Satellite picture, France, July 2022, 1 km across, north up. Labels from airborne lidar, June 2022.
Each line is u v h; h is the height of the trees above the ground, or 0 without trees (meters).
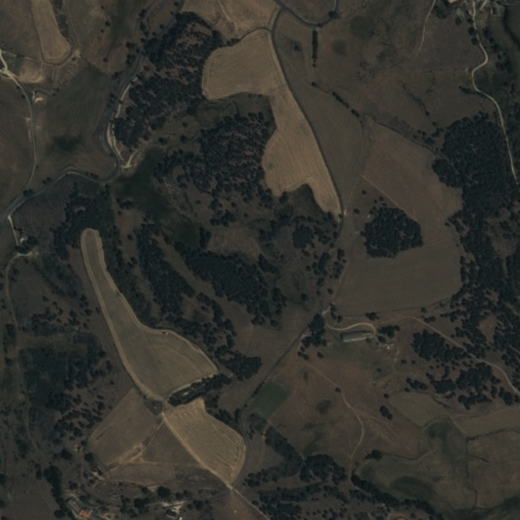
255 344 0
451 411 0
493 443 0
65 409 11
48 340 0
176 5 11
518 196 16
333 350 0
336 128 0
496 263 17
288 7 0
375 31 0
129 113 15
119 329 0
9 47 0
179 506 0
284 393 0
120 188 0
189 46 0
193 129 0
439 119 0
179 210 0
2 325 0
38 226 0
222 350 14
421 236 14
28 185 0
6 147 0
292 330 0
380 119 0
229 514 0
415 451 0
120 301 0
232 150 18
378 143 0
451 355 14
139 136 6
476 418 0
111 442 0
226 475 0
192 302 0
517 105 12
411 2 0
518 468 0
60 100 0
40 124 0
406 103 0
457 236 0
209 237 19
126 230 0
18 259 0
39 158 0
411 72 0
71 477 0
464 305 15
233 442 0
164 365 0
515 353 17
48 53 0
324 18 0
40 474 11
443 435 0
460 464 0
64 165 0
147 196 0
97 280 0
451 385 18
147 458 0
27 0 0
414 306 0
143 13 8
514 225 0
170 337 0
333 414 0
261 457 0
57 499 14
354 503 0
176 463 0
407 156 0
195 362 0
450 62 0
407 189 0
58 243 13
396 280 0
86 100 0
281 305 13
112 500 0
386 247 11
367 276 0
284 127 0
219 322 16
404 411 0
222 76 0
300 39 0
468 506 0
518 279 16
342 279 0
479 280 17
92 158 0
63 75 0
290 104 0
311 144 0
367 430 0
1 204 0
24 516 0
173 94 16
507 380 0
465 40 0
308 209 0
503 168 19
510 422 0
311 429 0
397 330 9
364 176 0
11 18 0
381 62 0
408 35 0
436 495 0
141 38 0
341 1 0
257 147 18
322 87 0
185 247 16
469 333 11
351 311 0
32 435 0
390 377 0
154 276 15
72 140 0
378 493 18
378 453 14
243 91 0
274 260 0
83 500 12
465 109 0
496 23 0
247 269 14
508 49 0
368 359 0
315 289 0
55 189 0
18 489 0
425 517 0
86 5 0
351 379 0
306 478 22
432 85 0
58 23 0
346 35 0
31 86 0
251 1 0
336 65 0
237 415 15
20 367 0
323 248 0
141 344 0
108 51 0
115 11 0
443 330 0
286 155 0
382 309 0
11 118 0
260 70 0
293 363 0
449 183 11
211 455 0
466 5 0
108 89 0
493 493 0
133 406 0
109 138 0
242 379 12
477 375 14
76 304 0
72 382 13
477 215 16
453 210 0
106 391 0
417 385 15
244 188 16
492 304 17
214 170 19
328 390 0
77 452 0
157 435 0
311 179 0
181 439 0
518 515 0
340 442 0
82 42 0
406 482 0
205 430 0
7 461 0
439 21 0
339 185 0
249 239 0
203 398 0
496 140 17
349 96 0
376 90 0
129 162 0
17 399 0
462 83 0
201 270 19
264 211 0
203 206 0
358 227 0
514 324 19
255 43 0
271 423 0
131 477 0
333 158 0
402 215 9
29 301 0
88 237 0
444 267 0
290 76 0
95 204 15
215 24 0
